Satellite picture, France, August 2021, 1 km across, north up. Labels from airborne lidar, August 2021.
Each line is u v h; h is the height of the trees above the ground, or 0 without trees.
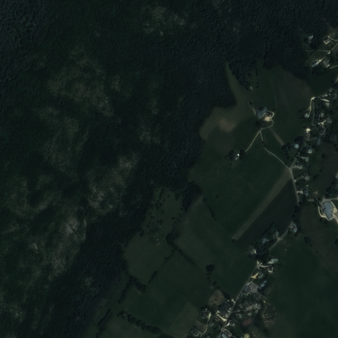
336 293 0
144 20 9
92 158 9
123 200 8
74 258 6
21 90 11
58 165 5
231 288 0
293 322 0
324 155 15
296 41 18
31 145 9
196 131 16
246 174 0
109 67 17
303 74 20
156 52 15
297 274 0
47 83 7
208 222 0
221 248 0
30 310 10
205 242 0
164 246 0
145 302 0
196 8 19
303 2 12
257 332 0
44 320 6
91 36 10
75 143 7
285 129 0
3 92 12
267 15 15
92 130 9
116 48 21
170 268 0
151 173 12
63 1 24
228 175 0
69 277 14
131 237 10
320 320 0
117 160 8
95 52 12
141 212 13
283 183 0
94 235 16
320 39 17
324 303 0
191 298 0
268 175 0
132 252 0
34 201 15
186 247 0
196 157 18
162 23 10
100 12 19
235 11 9
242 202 0
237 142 0
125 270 12
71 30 15
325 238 0
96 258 14
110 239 14
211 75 24
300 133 0
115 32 14
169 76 18
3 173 7
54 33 11
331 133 9
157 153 18
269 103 0
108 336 0
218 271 0
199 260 0
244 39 9
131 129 7
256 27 9
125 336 0
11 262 8
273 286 0
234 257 0
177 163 15
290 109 0
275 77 0
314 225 0
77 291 11
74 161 7
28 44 15
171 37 18
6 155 13
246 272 0
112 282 13
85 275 8
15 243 8
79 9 20
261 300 6
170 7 7
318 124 11
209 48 26
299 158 14
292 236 0
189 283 0
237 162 0
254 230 0
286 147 19
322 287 0
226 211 0
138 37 21
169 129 9
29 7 20
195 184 16
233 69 21
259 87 10
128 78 9
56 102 15
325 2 26
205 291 0
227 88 29
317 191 0
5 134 8
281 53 18
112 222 8
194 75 20
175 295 0
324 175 0
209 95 15
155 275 13
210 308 10
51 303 10
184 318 0
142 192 13
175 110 7
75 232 6
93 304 21
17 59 9
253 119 0
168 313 0
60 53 10
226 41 23
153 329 16
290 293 0
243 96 0
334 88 15
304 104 0
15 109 9
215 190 0
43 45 10
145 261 0
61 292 20
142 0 8
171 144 11
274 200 0
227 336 0
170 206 0
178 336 0
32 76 11
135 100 18
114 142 6
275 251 0
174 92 8
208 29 15
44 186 6
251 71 9
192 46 21
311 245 9
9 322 8
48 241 7
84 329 17
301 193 9
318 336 0
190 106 19
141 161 8
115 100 9
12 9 25
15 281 7
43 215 15
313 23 22
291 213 0
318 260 0
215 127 0
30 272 8
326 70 12
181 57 19
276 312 0
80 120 7
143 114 7
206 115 14
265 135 0
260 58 16
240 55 12
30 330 9
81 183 14
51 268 7
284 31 8
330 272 0
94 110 8
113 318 0
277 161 0
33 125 10
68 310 8
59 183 9
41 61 7
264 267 9
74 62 10
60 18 10
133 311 0
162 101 11
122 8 11
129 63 13
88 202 10
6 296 9
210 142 0
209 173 0
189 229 0
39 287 6
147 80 11
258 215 0
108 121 13
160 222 8
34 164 19
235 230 0
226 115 0
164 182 11
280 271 0
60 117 8
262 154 0
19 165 7
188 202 8
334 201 0
